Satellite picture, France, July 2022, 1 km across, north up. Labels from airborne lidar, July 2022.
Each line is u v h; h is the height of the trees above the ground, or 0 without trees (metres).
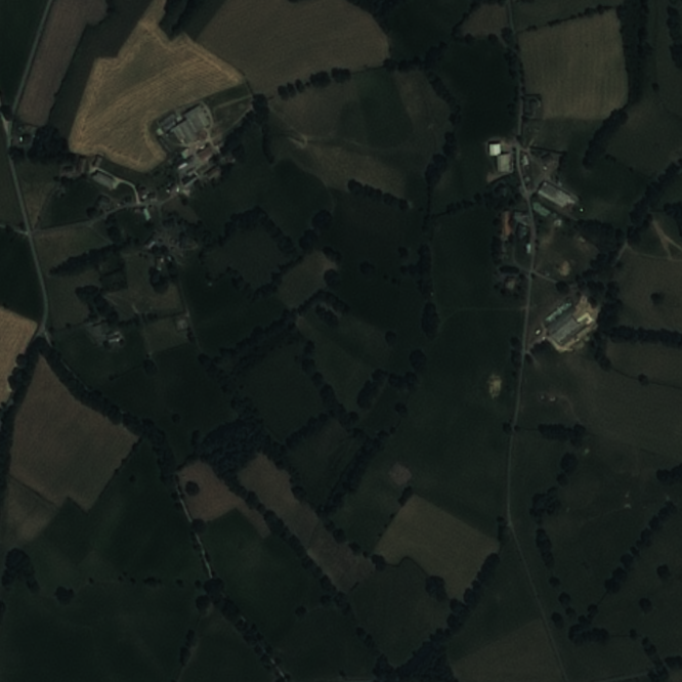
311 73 0
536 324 0
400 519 0
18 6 0
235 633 0
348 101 0
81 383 9
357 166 0
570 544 0
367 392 16
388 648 0
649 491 0
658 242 0
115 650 0
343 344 0
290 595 0
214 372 22
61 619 0
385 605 0
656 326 0
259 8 0
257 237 0
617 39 0
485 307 0
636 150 0
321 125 0
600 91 0
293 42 0
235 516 0
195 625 0
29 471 0
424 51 0
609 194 0
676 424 0
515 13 0
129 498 0
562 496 0
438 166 18
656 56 0
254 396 0
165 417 0
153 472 0
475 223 0
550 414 0
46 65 0
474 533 0
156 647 0
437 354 0
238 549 0
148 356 6
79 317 0
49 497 0
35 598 0
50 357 20
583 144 0
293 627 0
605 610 0
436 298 0
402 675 22
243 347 14
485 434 0
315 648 0
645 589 0
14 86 0
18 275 0
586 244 0
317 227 21
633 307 0
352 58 0
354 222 0
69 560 0
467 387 0
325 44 0
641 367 0
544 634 0
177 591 0
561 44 0
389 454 0
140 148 0
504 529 17
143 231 0
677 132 0
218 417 0
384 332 0
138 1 0
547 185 0
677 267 0
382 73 0
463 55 0
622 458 0
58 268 6
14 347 0
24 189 0
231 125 0
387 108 0
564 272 0
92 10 0
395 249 0
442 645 14
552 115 0
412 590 0
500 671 0
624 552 0
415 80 0
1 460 14
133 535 0
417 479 0
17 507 0
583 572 0
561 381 0
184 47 0
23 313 0
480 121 0
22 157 18
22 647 0
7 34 0
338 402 21
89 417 0
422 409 0
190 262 0
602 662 0
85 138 0
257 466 0
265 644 11
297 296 0
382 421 0
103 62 0
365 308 0
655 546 0
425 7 0
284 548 0
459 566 0
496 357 0
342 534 12
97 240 0
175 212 6
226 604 19
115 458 0
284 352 0
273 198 0
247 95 0
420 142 0
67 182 16
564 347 0
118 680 0
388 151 0
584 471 0
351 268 0
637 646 0
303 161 0
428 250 17
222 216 0
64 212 0
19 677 0
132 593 0
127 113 0
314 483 0
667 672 17
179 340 0
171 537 0
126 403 0
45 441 0
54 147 22
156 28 0
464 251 0
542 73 0
